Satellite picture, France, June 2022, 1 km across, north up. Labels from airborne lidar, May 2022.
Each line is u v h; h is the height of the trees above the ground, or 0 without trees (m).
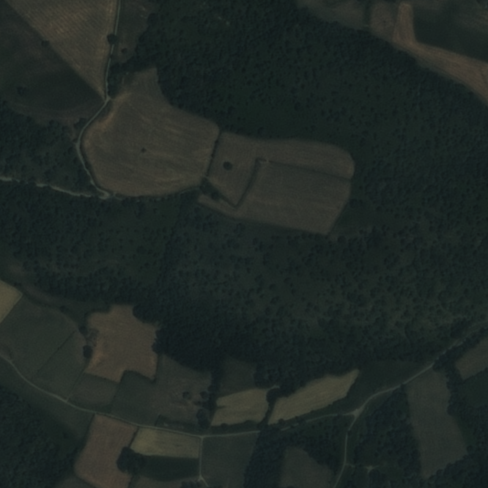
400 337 20
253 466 20
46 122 0
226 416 0
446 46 0
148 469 0
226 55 17
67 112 0
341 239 11
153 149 0
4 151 8
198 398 0
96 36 0
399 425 19
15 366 0
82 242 10
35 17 0
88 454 0
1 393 21
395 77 8
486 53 0
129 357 0
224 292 10
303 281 0
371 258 0
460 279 16
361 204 12
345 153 0
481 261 15
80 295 18
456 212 14
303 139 0
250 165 0
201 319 18
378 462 0
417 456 16
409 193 15
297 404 0
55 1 0
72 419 0
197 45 12
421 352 24
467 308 11
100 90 0
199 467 0
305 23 11
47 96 0
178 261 13
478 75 0
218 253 10
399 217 10
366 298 11
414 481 20
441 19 0
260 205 0
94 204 14
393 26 0
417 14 0
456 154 13
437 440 0
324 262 0
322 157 0
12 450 16
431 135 0
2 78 0
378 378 0
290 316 11
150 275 0
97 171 0
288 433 0
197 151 0
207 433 0
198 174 0
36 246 8
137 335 0
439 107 10
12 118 12
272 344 16
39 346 0
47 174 14
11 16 0
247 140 0
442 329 16
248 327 13
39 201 14
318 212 0
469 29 0
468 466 17
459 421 0
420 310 14
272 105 6
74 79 0
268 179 0
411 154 9
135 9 0
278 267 12
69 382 0
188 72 16
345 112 14
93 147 0
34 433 12
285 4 17
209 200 0
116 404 0
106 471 0
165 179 0
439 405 0
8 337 0
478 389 0
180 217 11
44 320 0
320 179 0
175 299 19
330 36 8
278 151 0
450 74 0
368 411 0
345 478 0
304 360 13
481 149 17
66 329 0
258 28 12
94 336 0
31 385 0
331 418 0
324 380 0
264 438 19
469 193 9
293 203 0
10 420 19
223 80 16
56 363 0
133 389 0
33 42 0
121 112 0
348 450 0
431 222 10
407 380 0
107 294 17
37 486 18
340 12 0
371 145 0
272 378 28
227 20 7
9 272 0
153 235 8
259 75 7
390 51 15
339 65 13
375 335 15
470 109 11
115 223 0
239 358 11
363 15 0
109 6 0
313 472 0
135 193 0
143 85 0
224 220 0
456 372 10
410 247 10
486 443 16
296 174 0
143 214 14
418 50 0
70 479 0
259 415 0
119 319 0
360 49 11
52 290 13
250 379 0
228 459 0
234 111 16
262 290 13
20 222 13
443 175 12
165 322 13
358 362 17
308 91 0
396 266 10
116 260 0
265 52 0
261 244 8
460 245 7
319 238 12
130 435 0
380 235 10
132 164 0
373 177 17
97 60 0
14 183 8
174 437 0
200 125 0
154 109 0
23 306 0
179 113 0
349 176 0
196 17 9
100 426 0
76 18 0
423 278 10
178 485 0
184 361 14
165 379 0
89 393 0
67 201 6
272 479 25
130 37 0
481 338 9
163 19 9
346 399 8
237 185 0
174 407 0
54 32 0
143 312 18
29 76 0
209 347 21
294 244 13
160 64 7
